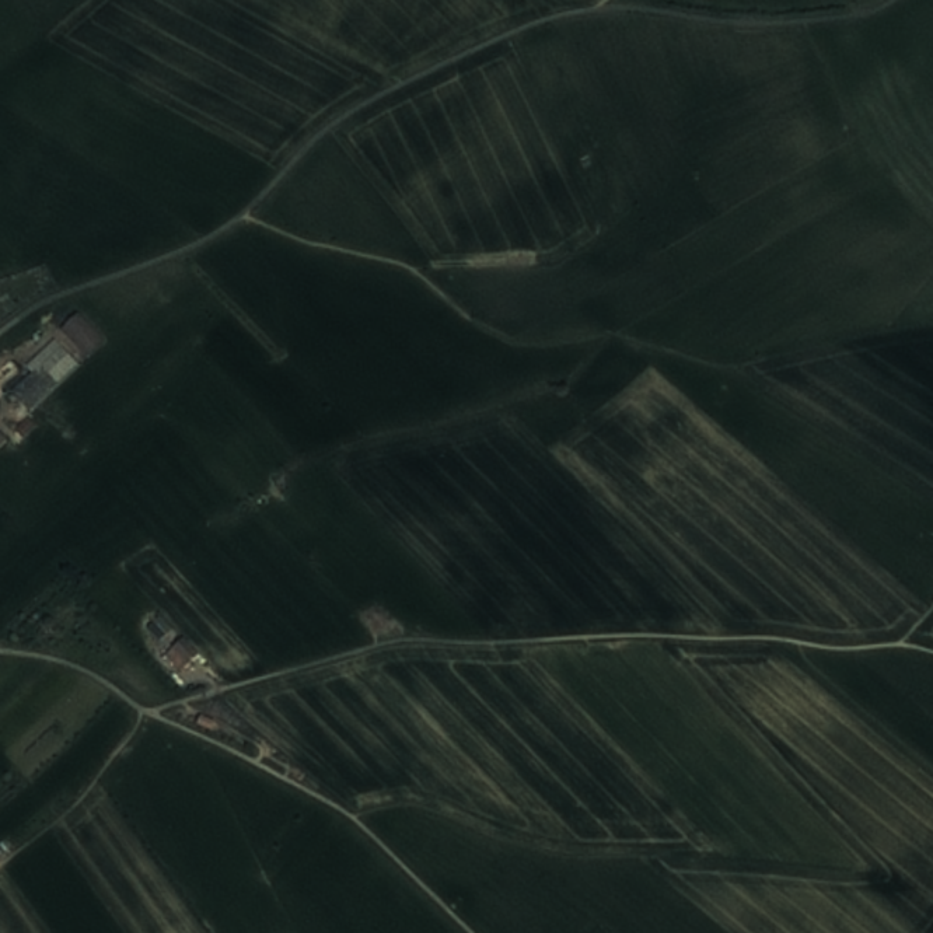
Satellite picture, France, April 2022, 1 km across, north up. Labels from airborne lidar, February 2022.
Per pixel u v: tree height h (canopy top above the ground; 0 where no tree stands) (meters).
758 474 0
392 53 0
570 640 0
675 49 0
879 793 0
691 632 0
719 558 0
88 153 0
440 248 0
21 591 0
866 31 0
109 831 0
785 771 0
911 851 0
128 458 0
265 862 0
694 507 0
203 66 0
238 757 0
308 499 0
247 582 0
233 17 0
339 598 0
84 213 0
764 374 0
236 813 0
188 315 0
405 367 0
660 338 0
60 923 0
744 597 0
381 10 0
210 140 0
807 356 0
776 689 0
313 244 0
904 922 0
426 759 0
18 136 0
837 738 0
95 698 0
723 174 0
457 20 0
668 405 0
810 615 0
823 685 0
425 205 0
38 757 0
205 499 0
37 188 0
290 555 0
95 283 0
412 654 0
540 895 0
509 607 0
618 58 0
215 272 0
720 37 0
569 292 0
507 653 0
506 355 0
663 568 0
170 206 0
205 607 0
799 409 0
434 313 0
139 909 0
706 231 0
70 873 0
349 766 0
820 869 0
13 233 0
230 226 0
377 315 0
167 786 0
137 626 0
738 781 0
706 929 0
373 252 0
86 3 0
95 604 7
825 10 7
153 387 0
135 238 0
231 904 0
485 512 0
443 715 0
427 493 0
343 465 0
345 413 0
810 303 0
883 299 0
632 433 0
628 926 0
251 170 0
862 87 0
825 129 0
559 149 0
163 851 0
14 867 0
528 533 0
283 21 0
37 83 0
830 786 0
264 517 0
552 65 0
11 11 0
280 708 0
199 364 0
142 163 0
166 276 0
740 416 0
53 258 0
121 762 0
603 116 0
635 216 0
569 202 0
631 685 0
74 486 0
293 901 0
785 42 0
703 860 0
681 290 0
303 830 0
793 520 0
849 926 0
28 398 0
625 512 0
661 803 0
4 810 0
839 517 0
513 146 0
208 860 0
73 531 0
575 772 0
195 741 0
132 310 0
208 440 0
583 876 0
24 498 0
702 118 0
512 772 0
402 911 0
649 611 0
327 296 0
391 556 0
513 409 0
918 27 0
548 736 0
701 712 0
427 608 0
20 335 0
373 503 0
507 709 0
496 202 0
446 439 0
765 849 0
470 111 0
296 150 0
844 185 0
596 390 0
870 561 0
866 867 0
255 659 0
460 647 0
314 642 0
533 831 0
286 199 0
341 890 0
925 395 0
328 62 0
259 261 0
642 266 0
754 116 0
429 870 0
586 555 0
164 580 0
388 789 0
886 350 0
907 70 0
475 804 0
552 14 0
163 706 0
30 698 0
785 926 0
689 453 0
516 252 0
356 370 0
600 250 0
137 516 0
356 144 0
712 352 0
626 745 0
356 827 0
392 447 0
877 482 0
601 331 0
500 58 0
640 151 0
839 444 0
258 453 0
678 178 0
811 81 0
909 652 0
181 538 0
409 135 0
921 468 0
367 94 0
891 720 0
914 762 0
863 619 0
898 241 0
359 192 0
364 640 0
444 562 0
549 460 0
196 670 0
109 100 0
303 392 0
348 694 0
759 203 0
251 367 0
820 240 0
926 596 0
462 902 0
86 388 0
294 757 0
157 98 0
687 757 0
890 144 0
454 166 0
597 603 0
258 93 0
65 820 0
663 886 0
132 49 0
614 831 0
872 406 0
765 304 0
